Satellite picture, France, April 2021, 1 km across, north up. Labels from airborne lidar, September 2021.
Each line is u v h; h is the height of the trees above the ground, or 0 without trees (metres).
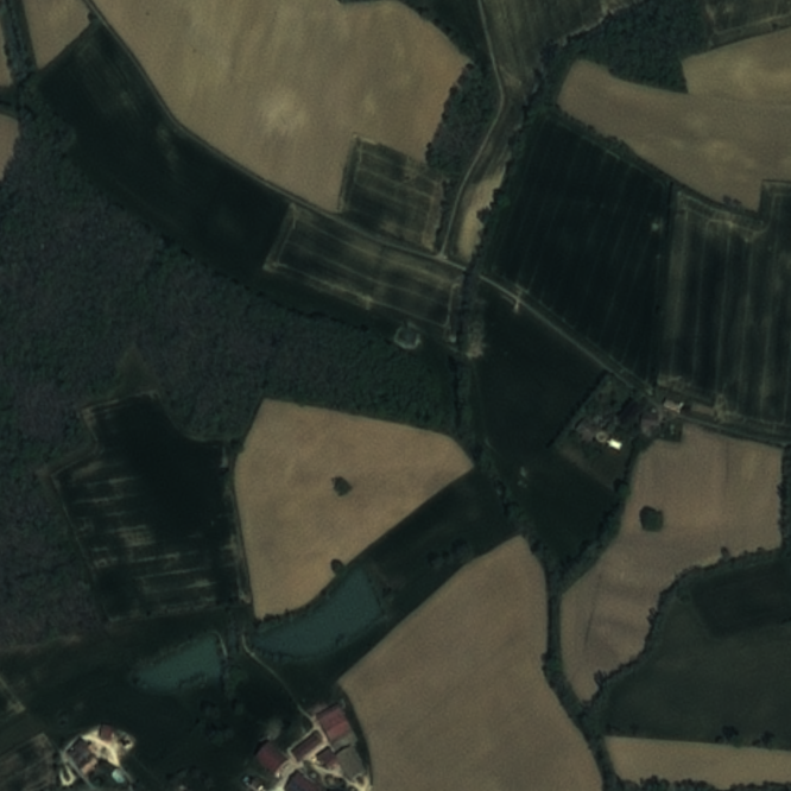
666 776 0
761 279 0
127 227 21
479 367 0
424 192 0
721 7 0
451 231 0
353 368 24
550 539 0
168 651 0
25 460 19
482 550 0
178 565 0
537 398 0
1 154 0
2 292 18
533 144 0
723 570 11
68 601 18
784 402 0
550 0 0
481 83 14
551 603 7
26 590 18
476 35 0
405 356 17
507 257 0
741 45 0
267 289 0
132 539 0
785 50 0
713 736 0
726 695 0
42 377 19
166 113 0
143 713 0
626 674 14
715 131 0
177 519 0
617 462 0
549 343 0
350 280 0
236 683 12
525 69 0
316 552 0
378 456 0
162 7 0
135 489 0
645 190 0
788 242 0
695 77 0
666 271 0
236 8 0
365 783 0
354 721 0
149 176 0
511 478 0
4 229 25
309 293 0
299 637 0
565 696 17
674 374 0
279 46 0
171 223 0
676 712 0
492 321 0
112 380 20
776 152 0
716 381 0
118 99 0
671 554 0
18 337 21
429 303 0
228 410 18
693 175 0
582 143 0
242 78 0
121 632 0
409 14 0
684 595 13
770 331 0
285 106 0
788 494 20
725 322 0
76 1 0
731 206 17
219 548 0
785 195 0
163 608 0
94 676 0
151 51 0
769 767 0
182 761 0
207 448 0
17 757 0
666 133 0
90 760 0
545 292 0
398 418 18
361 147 0
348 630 0
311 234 0
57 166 23
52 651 0
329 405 14
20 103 11
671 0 22
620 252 0
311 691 0
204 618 0
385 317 0
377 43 0
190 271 15
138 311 17
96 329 24
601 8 0
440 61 0
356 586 0
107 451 0
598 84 0
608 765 11
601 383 13
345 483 11
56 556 16
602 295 0
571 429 9
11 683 0
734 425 0
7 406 21
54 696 0
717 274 0
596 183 0
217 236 0
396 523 0
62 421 15
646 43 20
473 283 19
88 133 0
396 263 0
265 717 0
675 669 0
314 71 0
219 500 0
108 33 0
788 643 0
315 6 0
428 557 0
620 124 0
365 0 15
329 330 18
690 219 0
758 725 0
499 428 0
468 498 0
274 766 0
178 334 17
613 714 0
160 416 0
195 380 11
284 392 17
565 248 0
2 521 23
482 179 0
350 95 0
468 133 19
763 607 0
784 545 8
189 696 0
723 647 0
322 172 0
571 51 11
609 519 15
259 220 0
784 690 0
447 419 21
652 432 10
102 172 0
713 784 0
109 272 18
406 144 0
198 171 0
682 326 0
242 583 0
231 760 0
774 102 0
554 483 0
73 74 0
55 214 20
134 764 0
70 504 0
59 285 22
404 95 0
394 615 0
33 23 0
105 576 0
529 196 0
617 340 0
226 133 0
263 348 17
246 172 0
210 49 0
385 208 0
